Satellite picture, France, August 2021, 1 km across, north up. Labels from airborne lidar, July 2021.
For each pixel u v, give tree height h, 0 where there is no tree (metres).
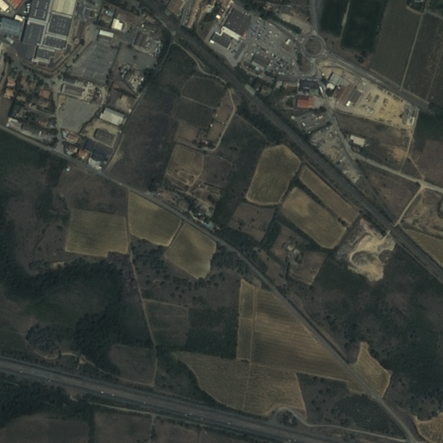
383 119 0
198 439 0
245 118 9
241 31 0
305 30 0
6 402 16
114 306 18
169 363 11
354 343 7
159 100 0
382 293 0
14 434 0
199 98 0
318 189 0
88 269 10
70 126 0
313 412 0
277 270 0
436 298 0
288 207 0
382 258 0
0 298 0
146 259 11
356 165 0
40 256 0
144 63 0
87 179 0
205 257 0
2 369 0
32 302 0
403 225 0
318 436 0
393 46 0
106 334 7
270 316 0
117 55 0
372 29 0
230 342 7
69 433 0
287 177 0
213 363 0
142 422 0
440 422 0
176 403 0
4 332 0
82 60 0
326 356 0
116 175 0
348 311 0
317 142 0
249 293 0
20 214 0
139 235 0
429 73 0
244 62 0
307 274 0
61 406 12
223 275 8
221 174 0
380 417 6
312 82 0
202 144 8
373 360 0
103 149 0
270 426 0
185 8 0
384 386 0
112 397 0
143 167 0
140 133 0
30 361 10
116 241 0
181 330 0
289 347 0
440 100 0
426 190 0
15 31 0
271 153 0
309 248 7
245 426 0
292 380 0
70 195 0
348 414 5
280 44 0
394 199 0
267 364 0
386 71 0
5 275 13
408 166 0
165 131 0
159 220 0
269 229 7
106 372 15
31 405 23
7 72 0
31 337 16
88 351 11
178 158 0
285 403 0
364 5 0
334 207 0
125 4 6
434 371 5
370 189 0
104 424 0
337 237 0
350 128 0
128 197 0
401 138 0
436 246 0
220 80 10
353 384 0
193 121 0
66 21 0
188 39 0
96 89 9
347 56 0
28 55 0
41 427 0
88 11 0
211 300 0
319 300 0
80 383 0
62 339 14
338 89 0
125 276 18
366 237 0
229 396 0
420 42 0
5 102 0
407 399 0
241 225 8
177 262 0
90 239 0
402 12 0
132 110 0
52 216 6
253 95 0
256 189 0
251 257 11
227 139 0
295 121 0
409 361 7
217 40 0
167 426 0
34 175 0
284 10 0
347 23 0
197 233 0
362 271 0
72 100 0
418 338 8
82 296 0
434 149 0
